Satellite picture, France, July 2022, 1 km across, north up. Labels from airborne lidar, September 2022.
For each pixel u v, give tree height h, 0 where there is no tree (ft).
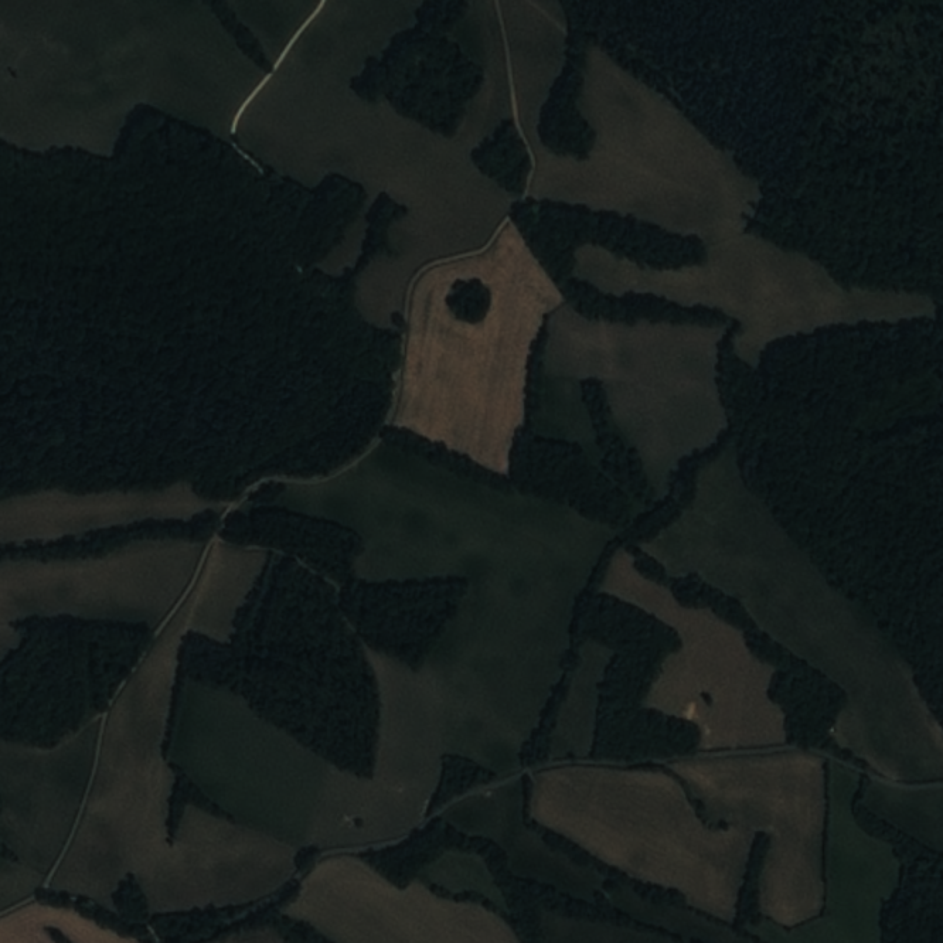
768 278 0
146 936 43
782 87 62
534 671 0
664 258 56
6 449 101
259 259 65
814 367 67
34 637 61
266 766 0
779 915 0
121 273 87
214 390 95
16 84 0
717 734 0
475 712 0
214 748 0
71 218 77
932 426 60
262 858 0
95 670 45
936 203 63
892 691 0
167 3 0
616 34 63
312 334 72
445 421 0
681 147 0
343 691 51
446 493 0
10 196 79
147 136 67
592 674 0
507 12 0
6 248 73
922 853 36
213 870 0
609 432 52
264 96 0
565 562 0
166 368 74
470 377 0
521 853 0
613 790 0
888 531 47
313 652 54
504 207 0
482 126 0
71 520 0
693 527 0
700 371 0
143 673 0
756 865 40
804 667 43
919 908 48
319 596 54
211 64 0
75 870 0
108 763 0
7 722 35
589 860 53
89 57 0
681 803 0
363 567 0
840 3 56
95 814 0
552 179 0
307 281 48
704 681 0
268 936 0
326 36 0
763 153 71
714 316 58
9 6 0
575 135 67
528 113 0
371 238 49
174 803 42
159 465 83
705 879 0
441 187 0
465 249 0
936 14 72
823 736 35
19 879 0
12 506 0
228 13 54
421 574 0
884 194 62
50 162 49
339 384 74
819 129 53
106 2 0
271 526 48
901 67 23
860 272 69
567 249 68
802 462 41
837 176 64
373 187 0
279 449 55
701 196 0
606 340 0
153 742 0
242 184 62
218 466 61
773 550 0
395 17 0
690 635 0
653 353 0
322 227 72
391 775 0
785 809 0
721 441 38
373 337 70
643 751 44
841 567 24
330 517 0
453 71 55
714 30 83
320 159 0
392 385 39
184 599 0
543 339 47
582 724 0
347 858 0
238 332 86
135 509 0
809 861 0
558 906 42
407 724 0
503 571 0
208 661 52
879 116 44
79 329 104
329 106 0
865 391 63
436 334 0
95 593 0
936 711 63
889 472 37
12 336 114
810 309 0
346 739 62
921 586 41
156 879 0
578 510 49
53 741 36
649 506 42
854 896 0
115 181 69
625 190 0
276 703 54
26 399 102
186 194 67
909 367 66
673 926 0
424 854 47
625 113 0
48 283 65
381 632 80
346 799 0
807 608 0
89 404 95
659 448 0
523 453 49
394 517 0
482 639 0
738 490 0
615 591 0
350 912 0
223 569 0
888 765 0
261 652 40
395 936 0
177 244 102
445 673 0
